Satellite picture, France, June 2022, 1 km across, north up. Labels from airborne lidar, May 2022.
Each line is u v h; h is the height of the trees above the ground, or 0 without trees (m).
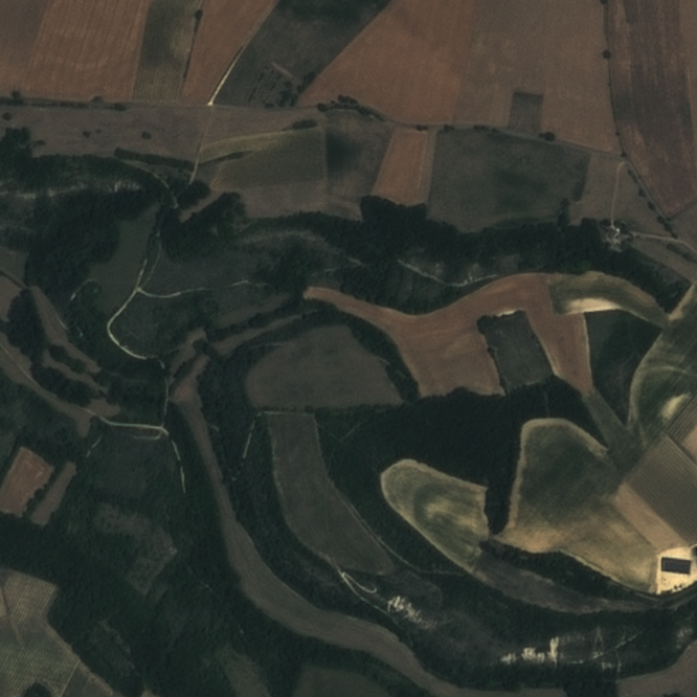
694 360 0
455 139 0
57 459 14
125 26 0
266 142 0
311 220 12
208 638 8
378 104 0
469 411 16
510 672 12
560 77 0
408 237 13
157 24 0
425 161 0
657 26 0
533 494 0
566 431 0
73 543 10
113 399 22
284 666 13
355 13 0
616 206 0
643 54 0
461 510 0
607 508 0
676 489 0
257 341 6
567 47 0
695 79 0
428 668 11
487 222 0
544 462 0
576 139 0
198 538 9
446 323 0
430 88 0
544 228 13
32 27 0
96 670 12
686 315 0
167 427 11
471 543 0
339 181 0
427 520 0
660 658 9
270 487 9
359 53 0
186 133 0
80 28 0
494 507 8
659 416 0
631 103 0
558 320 0
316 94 0
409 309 13
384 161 0
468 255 12
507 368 0
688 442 0
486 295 0
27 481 0
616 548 0
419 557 6
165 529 8
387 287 7
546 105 0
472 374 0
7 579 0
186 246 9
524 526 0
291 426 0
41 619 0
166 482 7
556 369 0
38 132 0
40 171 11
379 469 7
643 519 0
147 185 11
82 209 6
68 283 15
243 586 0
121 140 0
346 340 0
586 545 0
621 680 0
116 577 13
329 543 0
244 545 0
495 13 0
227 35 0
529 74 0
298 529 0
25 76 0
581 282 0
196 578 9
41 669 0
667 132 0
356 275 11
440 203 0
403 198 0
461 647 0
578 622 9
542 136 8
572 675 14
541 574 12
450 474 8
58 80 0
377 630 0
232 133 0
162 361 12
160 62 0
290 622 0
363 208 13
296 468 0
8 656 0
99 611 9
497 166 0
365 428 8
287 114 0
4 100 8
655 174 0
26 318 23
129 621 10
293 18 0
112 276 0
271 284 10
